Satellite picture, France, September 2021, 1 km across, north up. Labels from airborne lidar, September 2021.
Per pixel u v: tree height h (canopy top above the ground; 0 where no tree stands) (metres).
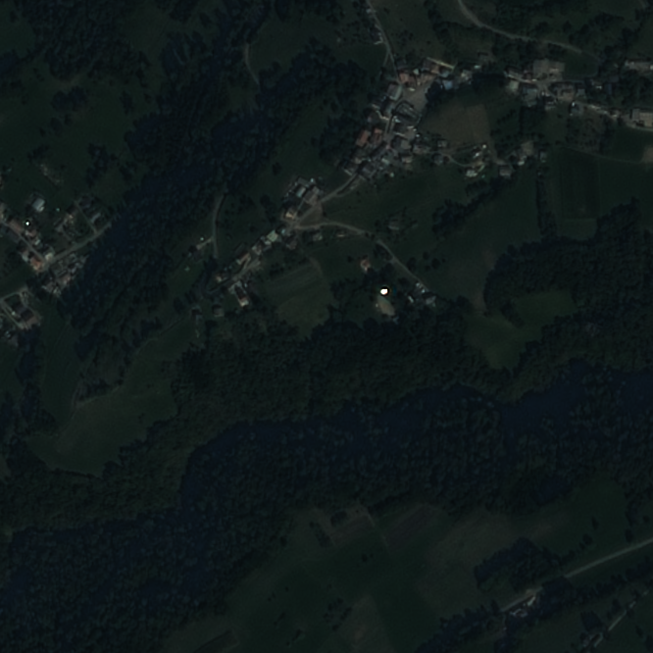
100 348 21
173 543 26
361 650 0
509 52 18
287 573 0
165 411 0
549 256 27
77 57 13
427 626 0
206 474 20
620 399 16
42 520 38
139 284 25
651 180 0
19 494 19
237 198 19
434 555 0
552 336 11
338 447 34
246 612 0
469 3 0
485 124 0
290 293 0
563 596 24
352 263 11
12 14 0
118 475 21
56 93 0
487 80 10
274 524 23
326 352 29
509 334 0
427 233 0
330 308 0
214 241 0
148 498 27
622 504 0
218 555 24
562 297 0
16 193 0
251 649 0
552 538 0
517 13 5
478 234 0
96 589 37
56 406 0
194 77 35
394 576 0
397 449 35
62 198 0
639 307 22
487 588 23
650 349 33
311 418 24
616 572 0
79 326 18
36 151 0
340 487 28
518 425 10
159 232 37
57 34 18
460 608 0
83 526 31
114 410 0
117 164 7
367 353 29
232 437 10
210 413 32
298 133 0
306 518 0
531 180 0
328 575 0
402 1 0
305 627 0
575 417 28
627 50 19
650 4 9
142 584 14
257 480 22
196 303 13
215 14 0
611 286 25
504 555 0
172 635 17
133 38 0
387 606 0
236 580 20
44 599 33
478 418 40
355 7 7
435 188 0
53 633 14
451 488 31
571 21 0
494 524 0
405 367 34
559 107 0
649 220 0
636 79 14
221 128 0
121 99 0
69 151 0
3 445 11
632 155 0
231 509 28
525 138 14
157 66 0
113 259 19
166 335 0
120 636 26
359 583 0
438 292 0
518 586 20
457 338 27
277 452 32
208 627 0
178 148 15
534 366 30
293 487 21
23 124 0
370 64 0
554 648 0
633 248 16
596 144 6
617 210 0
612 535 0
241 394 29
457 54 12
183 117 13
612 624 8
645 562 0
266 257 9
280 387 18
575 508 0
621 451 18
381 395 43
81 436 0
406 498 21
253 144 28
